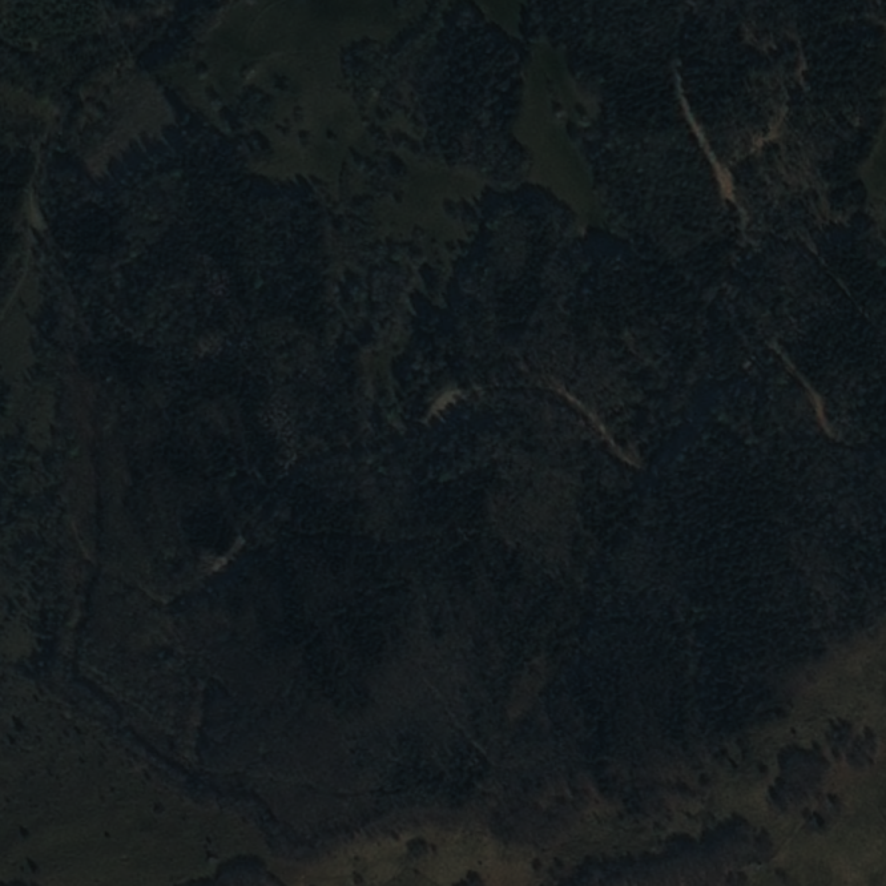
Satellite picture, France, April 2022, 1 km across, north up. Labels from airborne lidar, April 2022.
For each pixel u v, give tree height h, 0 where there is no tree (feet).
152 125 0
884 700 0
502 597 65
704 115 44
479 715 85
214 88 0
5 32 27
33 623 17
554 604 63
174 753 24
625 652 80
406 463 76
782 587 83
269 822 58
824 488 71
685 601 86
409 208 0
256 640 44
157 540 65
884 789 0
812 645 86
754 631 74
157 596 51
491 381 106
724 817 0
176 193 90
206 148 80
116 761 0
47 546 63
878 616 78
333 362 69
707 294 83
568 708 64
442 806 73
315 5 0
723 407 67
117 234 37
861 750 66
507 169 96
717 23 81
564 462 114
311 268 67
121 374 65
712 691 80
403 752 73
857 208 98
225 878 44
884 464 82
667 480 104
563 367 113
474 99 112
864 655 0
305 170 0
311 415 62
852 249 112
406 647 70
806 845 0
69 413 53
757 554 82
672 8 77
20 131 70
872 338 89
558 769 60
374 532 69
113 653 38
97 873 0
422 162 26
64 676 61
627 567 97
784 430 81
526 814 70
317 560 69
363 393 76
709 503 84
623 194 98
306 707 44
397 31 0
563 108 38
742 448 90
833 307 57
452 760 74
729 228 59
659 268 92
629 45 67
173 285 89
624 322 110
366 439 61
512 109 110
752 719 68
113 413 63
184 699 42
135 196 73
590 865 33
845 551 94
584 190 0
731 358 98
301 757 47
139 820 0
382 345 63
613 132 86
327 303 63
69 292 72
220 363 66
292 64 0
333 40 0
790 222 77
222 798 75
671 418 106
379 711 61
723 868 68
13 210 73
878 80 102
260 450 56
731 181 0
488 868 0
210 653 50
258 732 52
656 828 21
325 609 73
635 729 87
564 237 91
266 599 34
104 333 44
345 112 0
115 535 64
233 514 57
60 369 66
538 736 63
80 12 46
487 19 61
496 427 76
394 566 93
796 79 83
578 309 115
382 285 83
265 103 30
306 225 72
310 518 82
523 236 112
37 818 0
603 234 0
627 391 120
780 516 75
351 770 44
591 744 50
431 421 0
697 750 79
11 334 0
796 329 79
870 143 91
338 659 86
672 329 112
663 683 81
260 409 68
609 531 116
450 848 0
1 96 63
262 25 0
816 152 77
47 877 0
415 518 70
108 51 86
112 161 0
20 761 0
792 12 86
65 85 32
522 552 65
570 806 59
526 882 0
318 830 39
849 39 95
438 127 50
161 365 72
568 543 80
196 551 56
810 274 87
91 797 0
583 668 80
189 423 71
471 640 70
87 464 54
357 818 29
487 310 90
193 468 64
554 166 0
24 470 30
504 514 59
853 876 0
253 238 48
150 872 0
